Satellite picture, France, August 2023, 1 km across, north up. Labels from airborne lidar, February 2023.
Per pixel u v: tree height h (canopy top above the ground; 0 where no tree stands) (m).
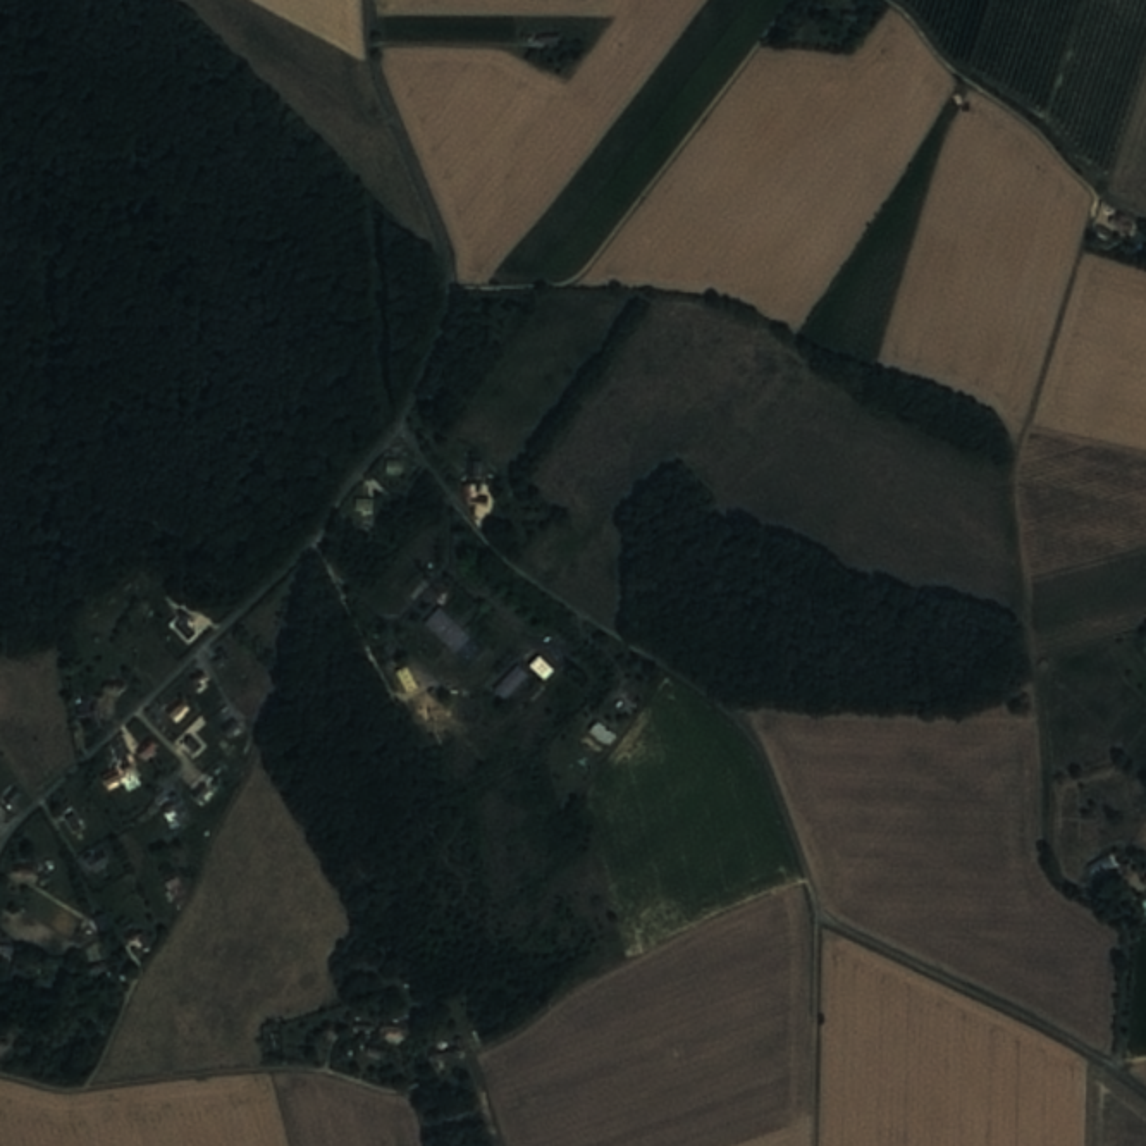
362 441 24
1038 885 0
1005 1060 0
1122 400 0
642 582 20
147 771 0
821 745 0
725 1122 0
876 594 22
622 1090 0
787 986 0
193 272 28
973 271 0
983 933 0
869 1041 0
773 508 0
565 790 0
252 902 0
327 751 22
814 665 18
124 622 6
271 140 23
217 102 26
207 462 28
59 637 17
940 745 0
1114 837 0
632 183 0
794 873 0
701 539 20
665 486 16
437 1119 17
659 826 0
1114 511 0
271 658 6
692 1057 0
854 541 0
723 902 0
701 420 0
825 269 0
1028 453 0
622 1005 0
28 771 0
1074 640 0
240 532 24
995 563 0
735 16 0
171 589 16
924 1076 0
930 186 0
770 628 20
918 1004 0
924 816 0
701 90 0
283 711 20
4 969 12
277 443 30
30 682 0
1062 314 0
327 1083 0
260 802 0
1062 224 0
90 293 29
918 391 18
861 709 18
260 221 30
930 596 14
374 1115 0
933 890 0
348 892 16
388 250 22
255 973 0
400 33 0
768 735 0
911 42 0
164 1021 0
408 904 8
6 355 27
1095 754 0
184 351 25
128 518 25
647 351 0
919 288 0
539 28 0
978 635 21
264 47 0
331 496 21
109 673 0
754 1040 0
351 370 19
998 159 0
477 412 0
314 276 25
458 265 0
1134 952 6
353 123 0
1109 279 0
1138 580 0
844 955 0
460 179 0
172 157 26
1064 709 0
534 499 15
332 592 14
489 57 0
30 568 27
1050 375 0
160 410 22
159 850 11
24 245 24
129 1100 0
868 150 0
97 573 26
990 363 0
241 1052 0
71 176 28
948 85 0
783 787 0
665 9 0
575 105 0
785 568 20
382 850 23
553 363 0
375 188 0
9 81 24
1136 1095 0
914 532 0
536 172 0
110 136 25
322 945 0
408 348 20
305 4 0
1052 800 0
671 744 0
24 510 26
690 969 0
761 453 0
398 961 13
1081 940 0
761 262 0
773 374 0
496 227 0
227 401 27
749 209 0
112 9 26
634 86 0
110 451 29
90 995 9
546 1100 0
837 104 0
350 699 21
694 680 15
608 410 0
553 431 16
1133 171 0
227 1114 0
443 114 0
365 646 12
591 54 0
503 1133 0
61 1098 0
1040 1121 0
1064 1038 0
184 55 27
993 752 0
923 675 21
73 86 28
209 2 0
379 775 22
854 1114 0
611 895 0
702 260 0
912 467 0
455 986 12
